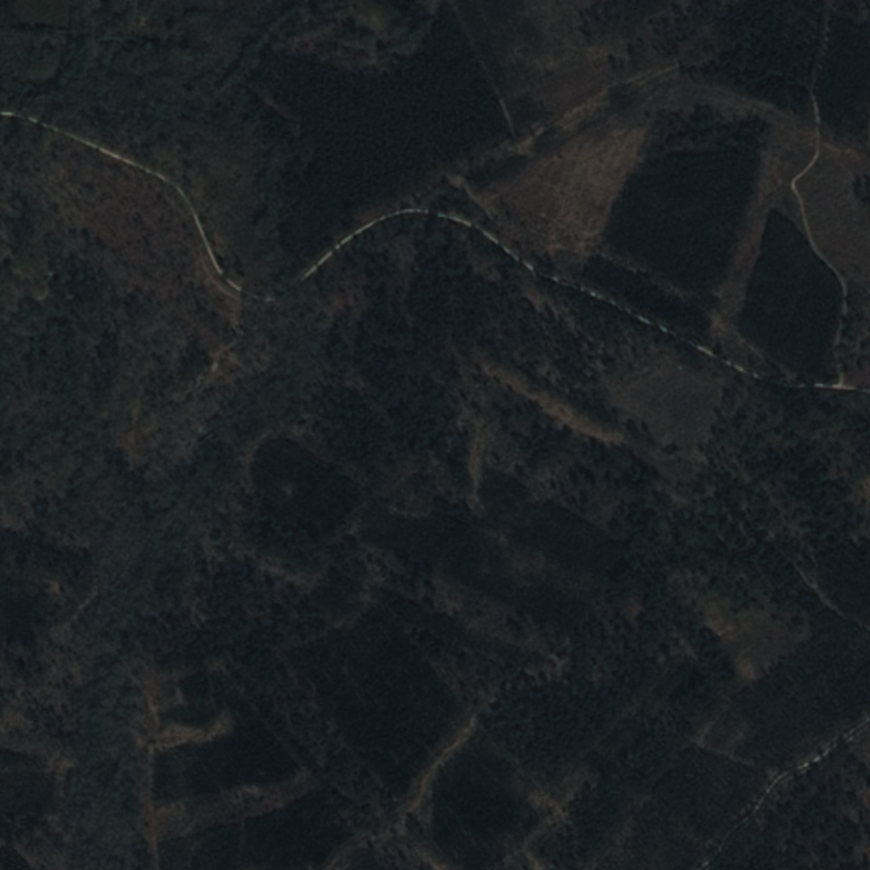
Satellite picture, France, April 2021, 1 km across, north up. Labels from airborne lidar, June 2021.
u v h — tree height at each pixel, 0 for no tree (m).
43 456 16
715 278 9
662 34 19
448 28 13
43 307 11
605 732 18
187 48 15
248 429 20
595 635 20
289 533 23
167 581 21
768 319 8
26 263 20
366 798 26
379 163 17
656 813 9
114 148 16
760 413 16
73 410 22
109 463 14
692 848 9
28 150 10
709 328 11
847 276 7
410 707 8
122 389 18
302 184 19
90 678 11
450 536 8
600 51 0
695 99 0
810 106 12
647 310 11
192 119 16
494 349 21
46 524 23
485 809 10
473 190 0
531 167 0
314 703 18
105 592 15
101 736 15
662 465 0
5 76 17
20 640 10
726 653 20
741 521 15
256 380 14
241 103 16
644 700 19
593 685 24
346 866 0
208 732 0
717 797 8
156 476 25
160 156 18
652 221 10
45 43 13
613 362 17
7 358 22
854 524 17
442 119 14
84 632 17
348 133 19
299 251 13
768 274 9
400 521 5
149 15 11
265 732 10
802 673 10
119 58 15
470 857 6
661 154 8
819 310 9
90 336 19
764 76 14
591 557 7
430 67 12
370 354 22
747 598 12
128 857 15
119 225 12
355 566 16
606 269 10
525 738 20
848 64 12
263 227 22
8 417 17
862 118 10
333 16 11
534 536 6
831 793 16
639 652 23
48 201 12
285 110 19
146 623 30
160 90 14
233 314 0
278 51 11
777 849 19
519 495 7
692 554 13
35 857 9
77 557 17
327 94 18
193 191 17
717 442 10
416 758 9
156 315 18
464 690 14
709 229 11
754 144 12
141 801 25
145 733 13
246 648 14
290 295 18
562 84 0
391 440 22
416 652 8
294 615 16
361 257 16
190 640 25
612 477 12
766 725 10
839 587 10
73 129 18
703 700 24
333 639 9
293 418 12
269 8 7
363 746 9
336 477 8
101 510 28
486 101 14
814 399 15
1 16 8
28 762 9
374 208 17
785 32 13
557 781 23
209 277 0
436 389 16
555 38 0
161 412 14
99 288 19
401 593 6
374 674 7
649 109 9
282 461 7
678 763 20
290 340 14
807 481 15
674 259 10
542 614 6
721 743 6
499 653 7
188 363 16
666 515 10
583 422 0
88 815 21
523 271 9
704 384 0
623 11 18
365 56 11
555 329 16
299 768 7
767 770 8
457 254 19
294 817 8
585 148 0
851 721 10
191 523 15
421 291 18
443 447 22
